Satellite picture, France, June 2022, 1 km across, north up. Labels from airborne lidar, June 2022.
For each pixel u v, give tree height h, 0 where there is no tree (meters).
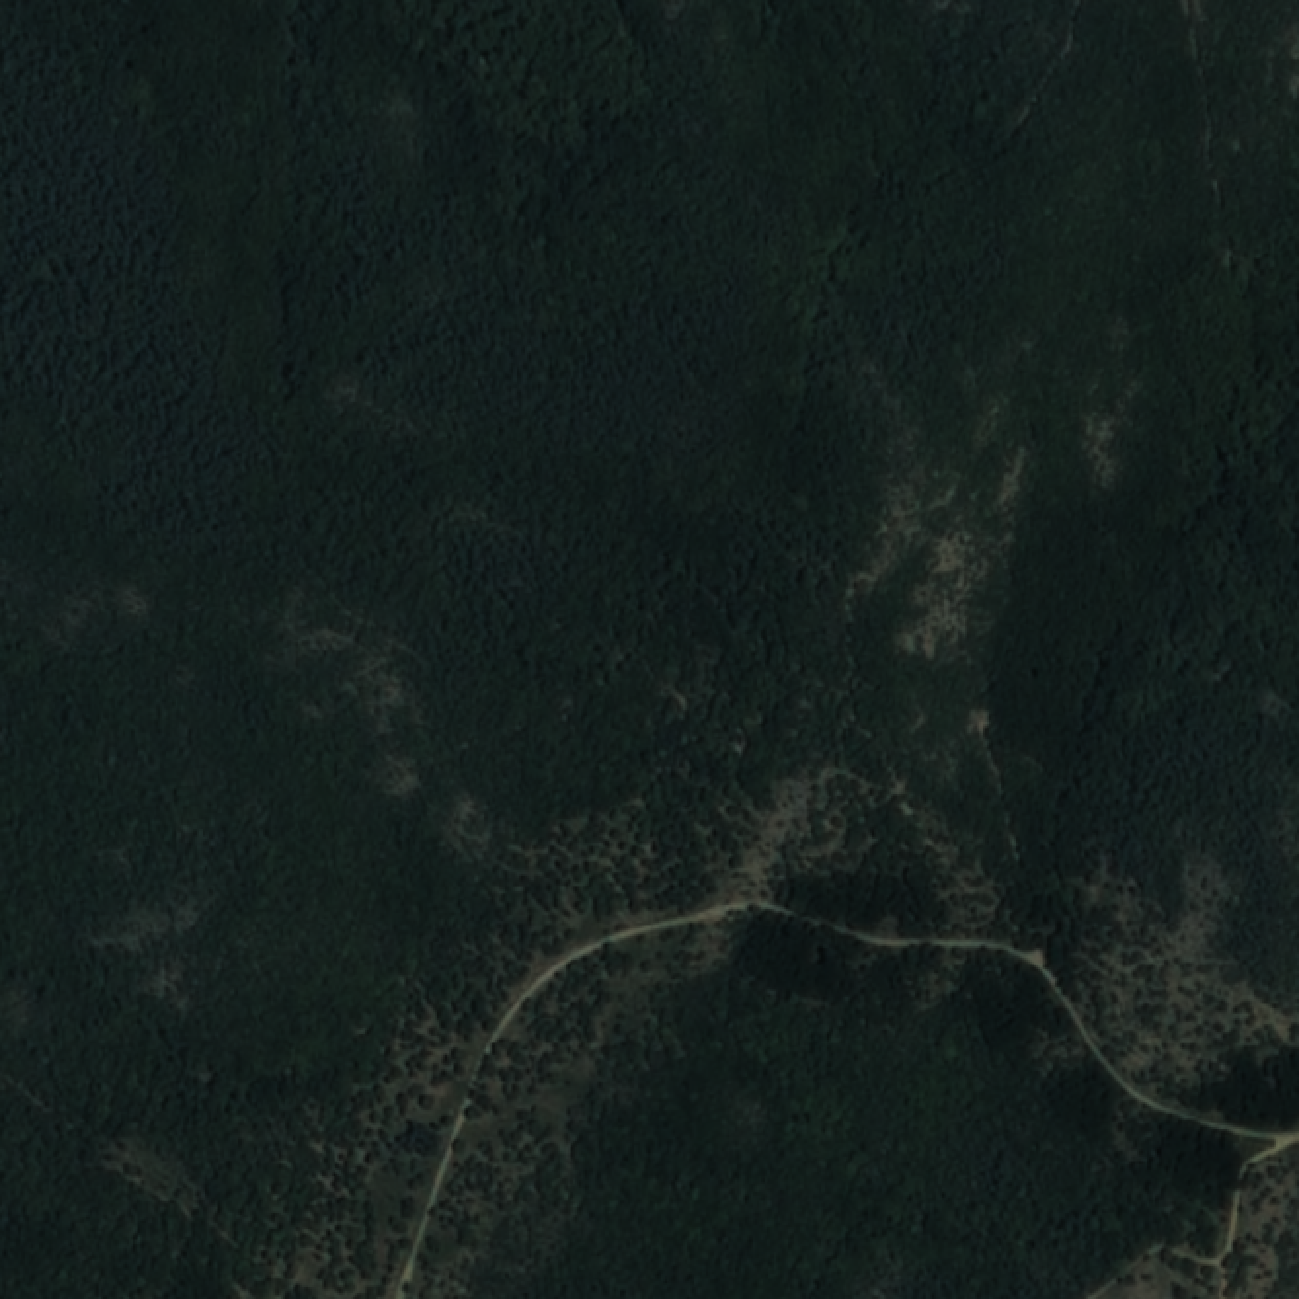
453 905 10
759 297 15
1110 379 8
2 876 6
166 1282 11
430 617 10
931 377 6
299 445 9
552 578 10
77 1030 8
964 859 8
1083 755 17
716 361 14
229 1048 10
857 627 8
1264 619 15
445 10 17
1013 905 13
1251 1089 12
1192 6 5
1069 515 12
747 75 10
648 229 8
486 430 7
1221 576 10
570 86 18
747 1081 11
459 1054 11
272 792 6
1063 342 8
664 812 10
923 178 13
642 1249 9
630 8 21
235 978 7
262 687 8
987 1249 12
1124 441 7
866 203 14
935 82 14
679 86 9
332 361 9
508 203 13
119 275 17
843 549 15
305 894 8
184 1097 13
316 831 7
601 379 16
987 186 11
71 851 7
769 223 15
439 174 10
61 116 18
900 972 12
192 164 10
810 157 14
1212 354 21
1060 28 6
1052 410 9
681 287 9
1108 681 16
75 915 6
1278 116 6
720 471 11
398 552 7
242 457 18
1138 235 6
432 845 7
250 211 13
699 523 9
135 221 18
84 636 6
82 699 8
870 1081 9
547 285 17
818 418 18
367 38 11
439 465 10
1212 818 6
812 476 15
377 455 10
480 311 13
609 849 11
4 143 12
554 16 19
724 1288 9
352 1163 10
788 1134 9
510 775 6
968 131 10
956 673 6
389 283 6
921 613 5
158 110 10
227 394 10
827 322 13
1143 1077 6
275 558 10
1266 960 10
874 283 12
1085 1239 10
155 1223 9
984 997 12
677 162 10
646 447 15
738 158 6
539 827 8
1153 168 13
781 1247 7
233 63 11
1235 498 8
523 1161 9
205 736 6
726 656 9
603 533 10
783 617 13
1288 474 12
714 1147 8
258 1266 10
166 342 15
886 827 8
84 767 6
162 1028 8
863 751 7
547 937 8
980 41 7
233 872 6
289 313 12
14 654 13
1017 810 9
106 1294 10
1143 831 8
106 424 8
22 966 6
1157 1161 12
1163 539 20
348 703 7
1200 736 18
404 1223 8
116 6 17
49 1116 10
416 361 14
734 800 7
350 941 9
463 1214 6
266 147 19
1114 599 20
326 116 9
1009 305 12
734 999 10
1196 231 6
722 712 13
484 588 15
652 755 12
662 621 8
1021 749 11
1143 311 12
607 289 11
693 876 9
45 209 14
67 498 5
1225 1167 12
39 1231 10
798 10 15
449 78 22
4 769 6
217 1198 10
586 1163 8
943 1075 12
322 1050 13
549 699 6
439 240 15
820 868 8
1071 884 10
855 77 10
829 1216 10
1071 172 6
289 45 19
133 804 8
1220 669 17
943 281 17
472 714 7
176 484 11
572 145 16
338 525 17
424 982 9
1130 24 7
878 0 9
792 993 15
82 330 15
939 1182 8
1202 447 12
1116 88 8
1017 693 19
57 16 14
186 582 7
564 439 7
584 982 10
